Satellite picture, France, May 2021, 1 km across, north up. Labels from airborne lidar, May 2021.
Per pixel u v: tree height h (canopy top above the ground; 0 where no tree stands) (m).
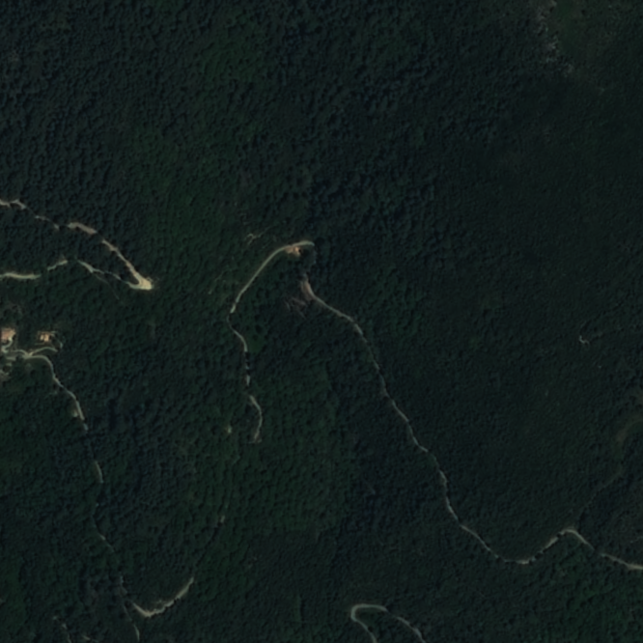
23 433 14
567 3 0
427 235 9
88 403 6
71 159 7
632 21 12
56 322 12
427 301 15
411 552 12
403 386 14
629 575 13
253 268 13
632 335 7
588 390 8
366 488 14
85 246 17
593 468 14
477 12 11
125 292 11
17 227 17
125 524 21
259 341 13
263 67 17
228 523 12
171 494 20
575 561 18
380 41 15
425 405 12
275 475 14
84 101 17
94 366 15
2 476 9
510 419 9
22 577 16
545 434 7
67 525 11
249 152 25
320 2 13
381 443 10
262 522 14
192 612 8
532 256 9
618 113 6
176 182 11
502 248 16
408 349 12
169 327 15
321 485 15
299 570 17
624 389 15
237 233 6
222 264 6
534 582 10
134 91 17
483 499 12
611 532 8
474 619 10
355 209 33
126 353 14
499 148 6
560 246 6
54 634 14
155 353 12
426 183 15
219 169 17
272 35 9
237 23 6
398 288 19
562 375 14
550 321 11
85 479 10
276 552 15
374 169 11
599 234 6
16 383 14
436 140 12
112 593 16
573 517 15
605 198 10
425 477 15
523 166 7
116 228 15
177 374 12
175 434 24
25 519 6
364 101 15
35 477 13
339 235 9
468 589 9
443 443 13
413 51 16
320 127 25
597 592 16
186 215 16
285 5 20
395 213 10
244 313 11
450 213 11
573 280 9
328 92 26
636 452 20
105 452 20
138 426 23
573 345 13
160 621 14
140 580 8
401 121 11
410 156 12
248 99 29
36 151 23
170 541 12
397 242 11
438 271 14
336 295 19
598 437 11
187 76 33
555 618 11
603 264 10
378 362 12
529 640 10
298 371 11
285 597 17
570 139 9
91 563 18
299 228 6
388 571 12
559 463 12
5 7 21
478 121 13
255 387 17
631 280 12
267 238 9
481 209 7
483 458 7
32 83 23
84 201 23
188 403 22
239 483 11
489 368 9
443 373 10
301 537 8
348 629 14
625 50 12
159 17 34
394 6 8
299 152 27
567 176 9
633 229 9
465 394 7
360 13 9
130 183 11
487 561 10
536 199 5
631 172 6
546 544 8
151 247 13
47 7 25
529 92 6
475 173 9
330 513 17
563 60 7
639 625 13
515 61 9
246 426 10
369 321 22
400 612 23
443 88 10
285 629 18
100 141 23
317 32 6
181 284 9
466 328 9
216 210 15
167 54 29
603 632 12
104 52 25
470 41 13
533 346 9
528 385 8
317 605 13
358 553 15
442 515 12
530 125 9
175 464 26
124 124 7
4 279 7
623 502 8
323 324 23
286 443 10
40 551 17
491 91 12
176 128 32
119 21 28
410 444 14
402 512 18
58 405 13
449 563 16
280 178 8
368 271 17
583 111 7
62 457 19
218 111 11
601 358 9
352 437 6
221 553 27
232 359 23
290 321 9
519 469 11
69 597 18
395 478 13
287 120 7
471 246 15
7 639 21
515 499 11
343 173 8
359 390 12
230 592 11
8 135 21
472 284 10
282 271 21
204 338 10
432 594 15
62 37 14
